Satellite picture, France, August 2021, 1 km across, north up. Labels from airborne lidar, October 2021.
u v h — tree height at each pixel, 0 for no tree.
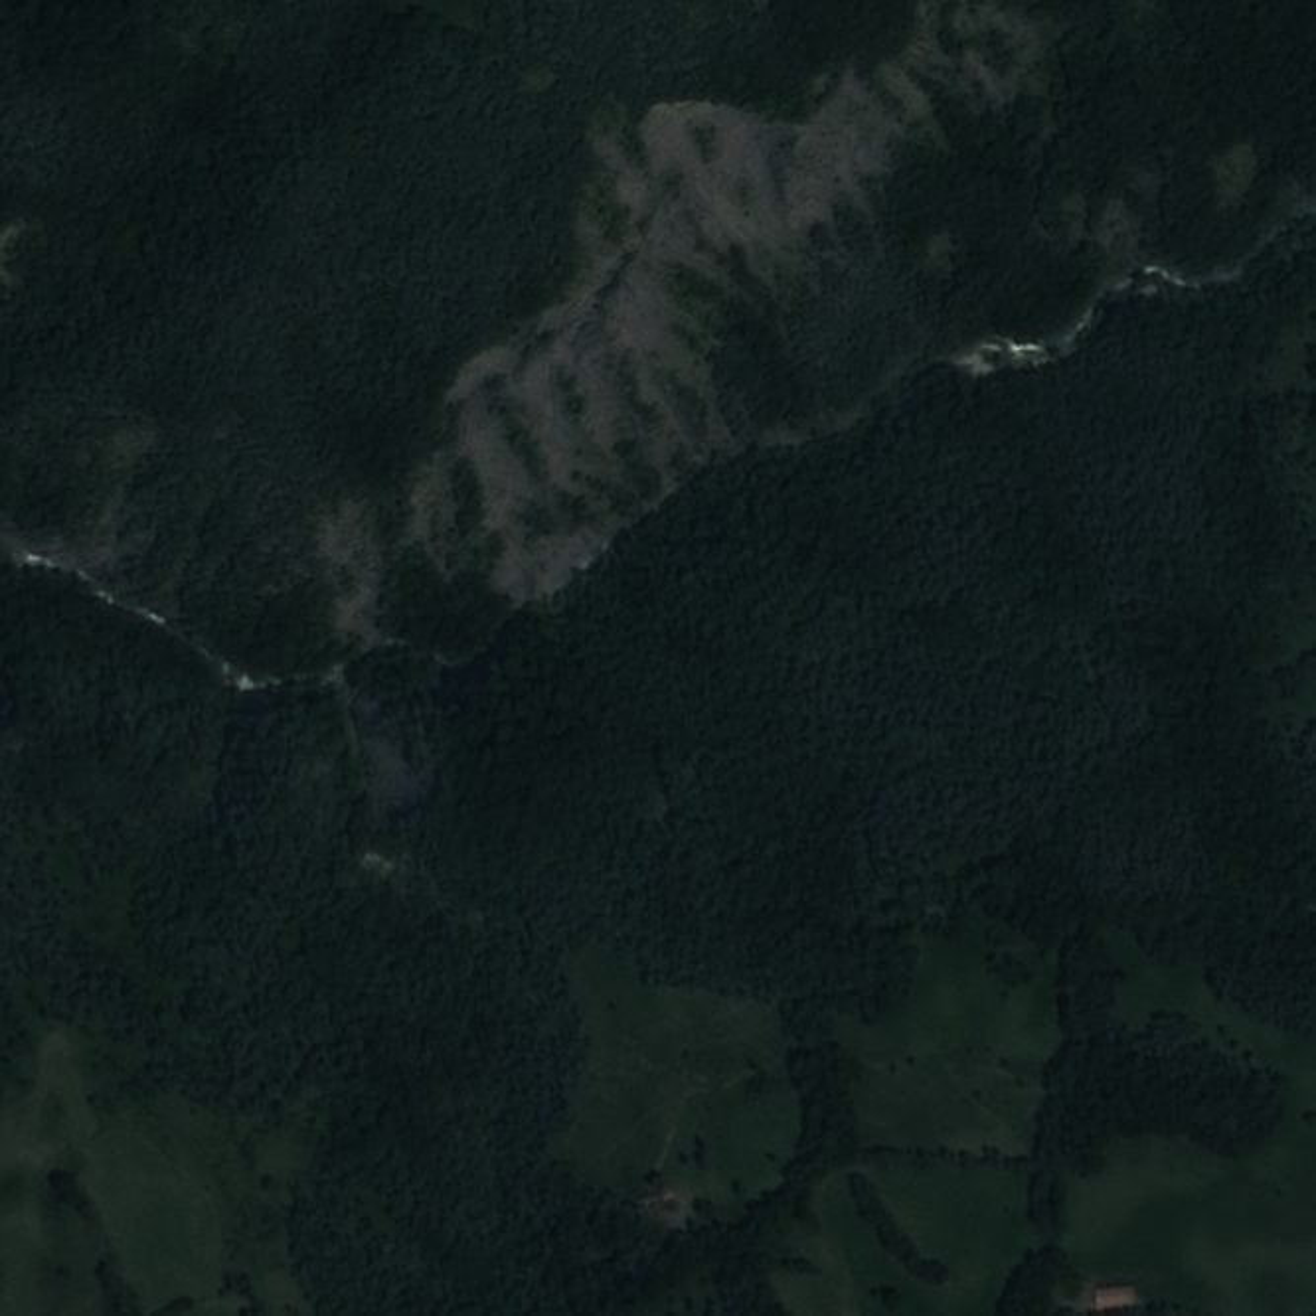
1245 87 21
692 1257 16
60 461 12
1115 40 17
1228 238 17
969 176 10
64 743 14
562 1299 15
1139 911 16
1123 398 13
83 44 16
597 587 11
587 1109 0
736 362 12
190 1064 6
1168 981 0
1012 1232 0
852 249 11
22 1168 0
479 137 14
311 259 10
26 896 11
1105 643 13
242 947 7
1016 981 12
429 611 19
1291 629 0
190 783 11
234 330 12
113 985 12
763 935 18
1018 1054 0
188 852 12
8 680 15
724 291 7
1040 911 16
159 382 8
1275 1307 0
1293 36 20
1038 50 0
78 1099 0
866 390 13
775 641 16
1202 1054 19
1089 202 15
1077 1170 14
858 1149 16
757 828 10
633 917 16
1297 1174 0
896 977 14
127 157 15
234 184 18
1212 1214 0
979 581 16
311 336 13
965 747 14
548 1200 20
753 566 15
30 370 16
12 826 9
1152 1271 0
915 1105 0
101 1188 0
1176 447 14
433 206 12
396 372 14
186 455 12
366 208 13
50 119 14
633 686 9
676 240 0
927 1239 0
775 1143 0
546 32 10
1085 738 13
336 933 12
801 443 6
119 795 14
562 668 17
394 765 0
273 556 9
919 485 15
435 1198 11
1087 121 18
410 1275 10
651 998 0
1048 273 19
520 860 13
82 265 13
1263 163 10
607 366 6
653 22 10
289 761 10
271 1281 0
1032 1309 22
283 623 20
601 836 14
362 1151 18
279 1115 6
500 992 11
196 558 7
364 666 17
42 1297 0
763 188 0
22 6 18
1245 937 19
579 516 9
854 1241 0
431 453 7
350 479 13
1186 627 13
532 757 18
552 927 14
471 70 12
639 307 0
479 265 9
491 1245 14
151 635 25
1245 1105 17
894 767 16
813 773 16
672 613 15
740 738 9
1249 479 18
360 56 16
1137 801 15
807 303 9
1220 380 16
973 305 17
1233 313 13
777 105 9
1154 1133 12
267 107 17
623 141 7
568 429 0
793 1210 18
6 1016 7
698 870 13
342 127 10
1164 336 13
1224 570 15
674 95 12
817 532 14
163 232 17
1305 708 0
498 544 7
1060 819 15
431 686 8
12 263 11
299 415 11
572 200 11
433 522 7
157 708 8
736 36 12
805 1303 0
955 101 12
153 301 12
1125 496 11
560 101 12
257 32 15
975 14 13
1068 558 20
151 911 12
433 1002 15
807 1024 14
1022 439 16
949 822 14
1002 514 17
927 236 18
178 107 14
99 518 7
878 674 10
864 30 12
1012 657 14
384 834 19
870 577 20
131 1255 0
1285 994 14
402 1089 11
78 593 16
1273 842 18
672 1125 0
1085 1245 0
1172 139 18
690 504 12
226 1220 0
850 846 16
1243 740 20
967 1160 11
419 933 10
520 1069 10
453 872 11
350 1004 16
